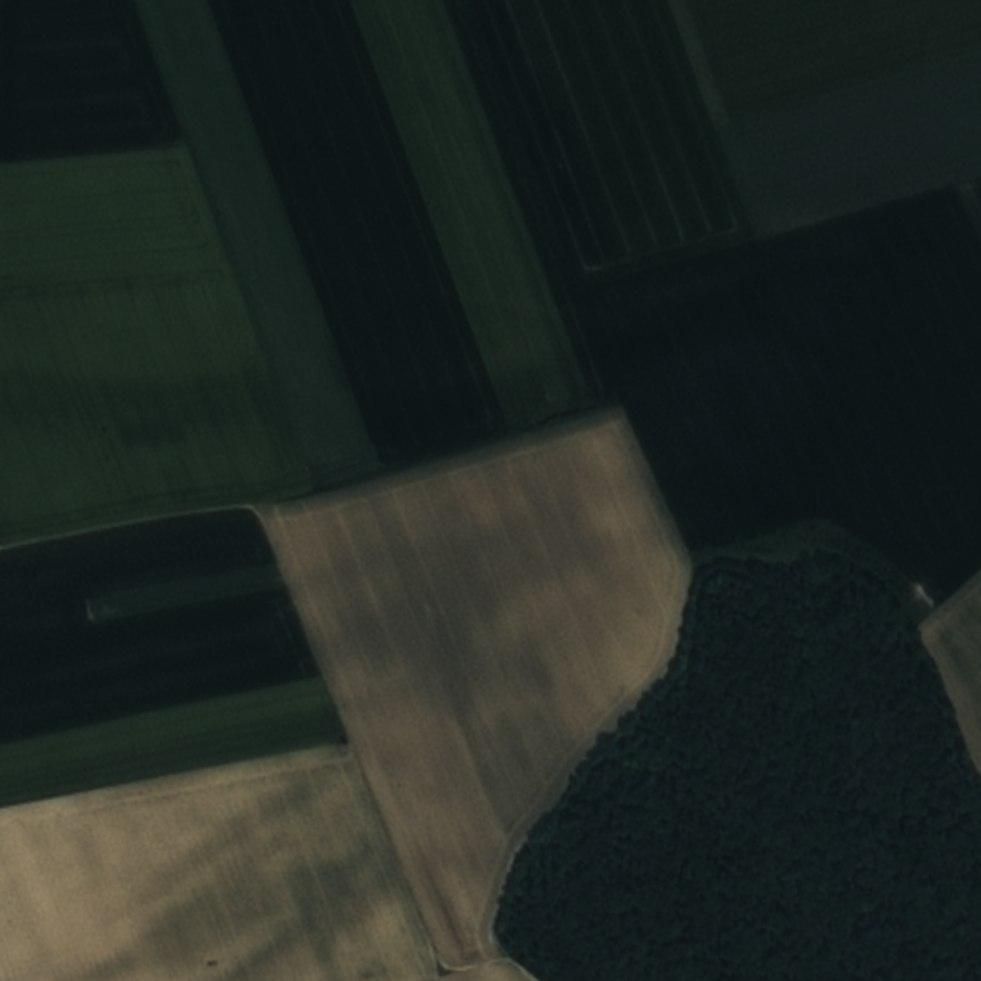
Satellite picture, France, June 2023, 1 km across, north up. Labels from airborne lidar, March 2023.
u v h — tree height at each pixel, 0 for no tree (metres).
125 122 0
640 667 0
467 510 0
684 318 0
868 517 0
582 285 0
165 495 0
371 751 0
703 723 19
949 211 0
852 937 24
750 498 0
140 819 0
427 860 0
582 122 0
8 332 0
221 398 0
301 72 0
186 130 0
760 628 22
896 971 22
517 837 0
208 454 0
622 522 0
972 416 0
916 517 0
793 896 18
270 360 0
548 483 0
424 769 0
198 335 0
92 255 0
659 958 14
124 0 0
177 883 0
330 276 0
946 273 0
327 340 0
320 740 0
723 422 0
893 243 0
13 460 0
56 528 0
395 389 0
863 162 0
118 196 0
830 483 0
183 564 0
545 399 0
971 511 0
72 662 0
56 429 0
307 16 0
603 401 0
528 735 0
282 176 0
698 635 15
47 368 0
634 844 18
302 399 0
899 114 0
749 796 21
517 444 0
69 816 0
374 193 0
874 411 0
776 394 0
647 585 0
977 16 0
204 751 0
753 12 0
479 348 0
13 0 0
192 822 0
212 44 0
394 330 0
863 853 25
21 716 0
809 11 0
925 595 0
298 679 0
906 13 0
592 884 18
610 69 0
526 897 15
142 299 0
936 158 0
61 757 0
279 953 0
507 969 0
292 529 0
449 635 0
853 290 0
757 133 0
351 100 0
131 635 0
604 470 0
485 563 0
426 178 0
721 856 10
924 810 24
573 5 0
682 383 0
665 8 0
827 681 27
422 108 0
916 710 25
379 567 0
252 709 0
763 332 0
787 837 23
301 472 0
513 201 0
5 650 0
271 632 0
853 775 22
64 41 0
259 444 0
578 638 0
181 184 0
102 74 0
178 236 0
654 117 0
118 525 0
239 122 0
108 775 0
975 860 23
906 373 0
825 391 0
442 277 0
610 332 0
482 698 0
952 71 0
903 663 21
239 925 0
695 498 0
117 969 0
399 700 0
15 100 0
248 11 0
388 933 0
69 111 0
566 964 20
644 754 9
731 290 0
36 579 0
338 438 0
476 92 0
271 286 0
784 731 21
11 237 0
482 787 0
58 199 0
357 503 0
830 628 25
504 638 0
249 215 0
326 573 0
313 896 0
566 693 0
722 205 0
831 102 0
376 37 0
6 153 0
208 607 0
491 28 0
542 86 0
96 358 0
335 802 0
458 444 0
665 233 0
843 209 0
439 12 0
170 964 0
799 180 0
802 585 24
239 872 0
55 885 0
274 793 0
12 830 0
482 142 0
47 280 0
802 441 0
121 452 0
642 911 19
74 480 0
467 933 0
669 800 21
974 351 0
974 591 0
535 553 0
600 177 0
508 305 0
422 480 0
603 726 0
